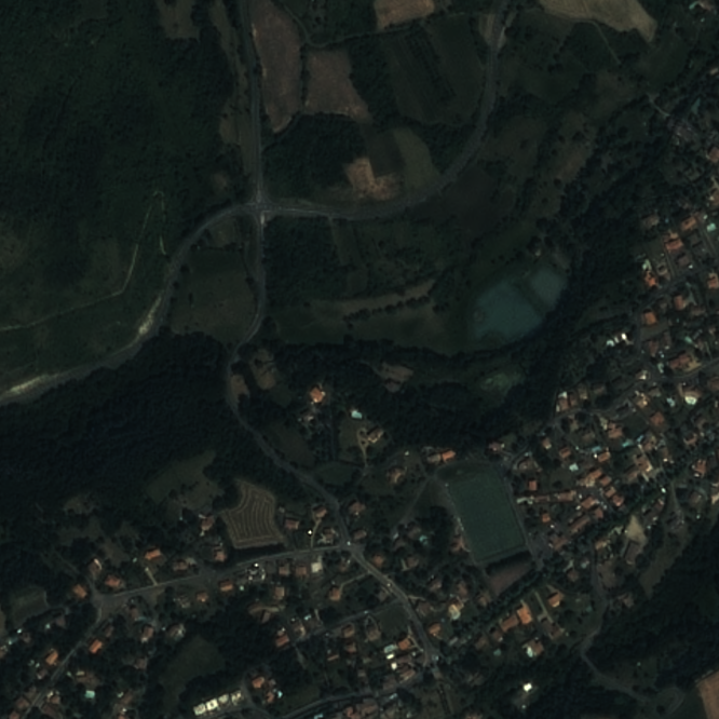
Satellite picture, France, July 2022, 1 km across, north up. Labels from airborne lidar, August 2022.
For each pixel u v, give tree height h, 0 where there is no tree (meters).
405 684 0
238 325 0
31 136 10
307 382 15
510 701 13
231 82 12
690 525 5
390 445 7
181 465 0
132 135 10
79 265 8
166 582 0
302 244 13
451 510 0
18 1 11
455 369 15
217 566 11
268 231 14
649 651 16
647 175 9
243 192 8
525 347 18
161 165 8
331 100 0
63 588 13
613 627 8
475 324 0
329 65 0
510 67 0
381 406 11
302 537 0
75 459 22
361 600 7
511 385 0
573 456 6
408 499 0
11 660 11
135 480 13
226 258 0
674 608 16
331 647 14
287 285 7
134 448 21
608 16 0
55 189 13
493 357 13
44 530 9
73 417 18
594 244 10
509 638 11
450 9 11
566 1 0
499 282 0
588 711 18
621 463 6
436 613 0
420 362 16
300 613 10
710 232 0
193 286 0
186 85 7
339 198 0
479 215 0
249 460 19
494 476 0
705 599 0
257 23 0
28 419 14
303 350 15
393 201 0
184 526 14
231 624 16
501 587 0
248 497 0
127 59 8
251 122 0
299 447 0
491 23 0
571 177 0
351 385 11
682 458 12
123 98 10
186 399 13
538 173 7
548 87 0
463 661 13
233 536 0
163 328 14
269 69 0
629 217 9
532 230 0
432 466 12
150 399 18
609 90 0
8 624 8
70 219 14
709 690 0
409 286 9
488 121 8
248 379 16
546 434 12
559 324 22
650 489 13
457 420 12
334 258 15
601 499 0
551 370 14
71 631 15
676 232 0
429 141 8
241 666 12
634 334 7
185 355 18
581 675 15
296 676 12
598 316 0
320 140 12
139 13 6
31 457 19
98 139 9
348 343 18
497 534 0
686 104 13
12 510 16
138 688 9
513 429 9
